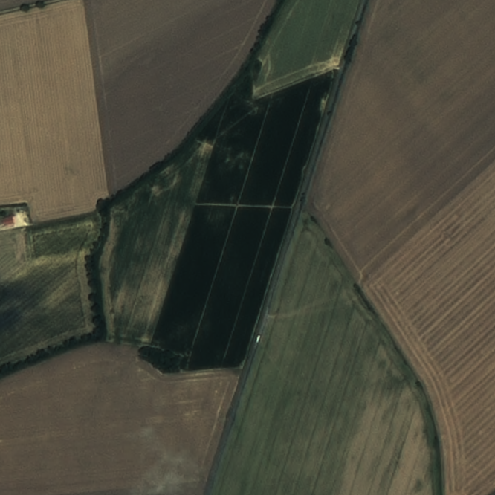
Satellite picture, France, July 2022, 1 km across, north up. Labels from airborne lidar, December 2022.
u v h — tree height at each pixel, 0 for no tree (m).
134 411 0
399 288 0
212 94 0
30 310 0
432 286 0
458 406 0
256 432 0
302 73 0
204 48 0
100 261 0
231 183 0
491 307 0
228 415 0
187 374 0
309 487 0
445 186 0
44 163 0
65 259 0
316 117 0
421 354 0
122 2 0
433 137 0
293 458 0
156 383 0
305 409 0
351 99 0
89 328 0
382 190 0
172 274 0
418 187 0
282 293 0
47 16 0
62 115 0
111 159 0
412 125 0
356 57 0
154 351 12
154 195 0
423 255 0
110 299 0
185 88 0
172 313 0
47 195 0
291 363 0
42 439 0
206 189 0
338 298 0
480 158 0
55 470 0
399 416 0
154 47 0
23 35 0
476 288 0
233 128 0
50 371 0
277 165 0
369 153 0
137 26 0
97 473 0
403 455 0
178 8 0
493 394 0
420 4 0
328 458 0
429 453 0
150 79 0
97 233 0
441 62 0
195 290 0
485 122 0
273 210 0
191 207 0
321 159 0
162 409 0
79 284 0
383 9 0
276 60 0
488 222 0
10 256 0
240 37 0
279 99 0
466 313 0
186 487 0
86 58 0
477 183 0
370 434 0
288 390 0
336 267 0
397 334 0
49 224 0
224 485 0
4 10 0
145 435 0
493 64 0
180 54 0
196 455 0
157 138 0
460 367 0
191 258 0
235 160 0
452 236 0
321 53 0
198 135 0
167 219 0
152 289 0
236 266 0
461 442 0
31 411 0
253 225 0
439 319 0
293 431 0
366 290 0
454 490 0
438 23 0
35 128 0
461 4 0
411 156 0
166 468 0
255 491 0
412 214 0
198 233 0
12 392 0
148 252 0
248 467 0
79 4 0
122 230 0
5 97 0
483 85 0
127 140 0
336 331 0
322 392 0
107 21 0
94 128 0
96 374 0
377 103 0
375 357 0
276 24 0
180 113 0
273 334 0
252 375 0
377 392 0
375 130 0
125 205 0
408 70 0
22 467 0
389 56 0
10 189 0
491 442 0
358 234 0
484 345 0
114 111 0
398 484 0
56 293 0
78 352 0
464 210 0
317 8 0
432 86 0
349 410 0
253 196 0
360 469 0
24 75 0
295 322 0
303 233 0
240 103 0
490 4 0
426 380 0
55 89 0
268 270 0
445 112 0
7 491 0
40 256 0
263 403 0
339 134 0
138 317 0
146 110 0
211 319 0
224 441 0
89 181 0
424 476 0
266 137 0
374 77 0
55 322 0
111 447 0
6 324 0
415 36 0
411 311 0
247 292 0
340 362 0
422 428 0
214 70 0
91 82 0
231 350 0
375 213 0
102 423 0
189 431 0
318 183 0
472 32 0
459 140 0
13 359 0
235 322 0
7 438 0
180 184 0
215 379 0
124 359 0
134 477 0
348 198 0
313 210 0
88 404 0
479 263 0
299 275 0
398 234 0
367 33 0
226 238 0
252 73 0
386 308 0
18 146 0
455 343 0
